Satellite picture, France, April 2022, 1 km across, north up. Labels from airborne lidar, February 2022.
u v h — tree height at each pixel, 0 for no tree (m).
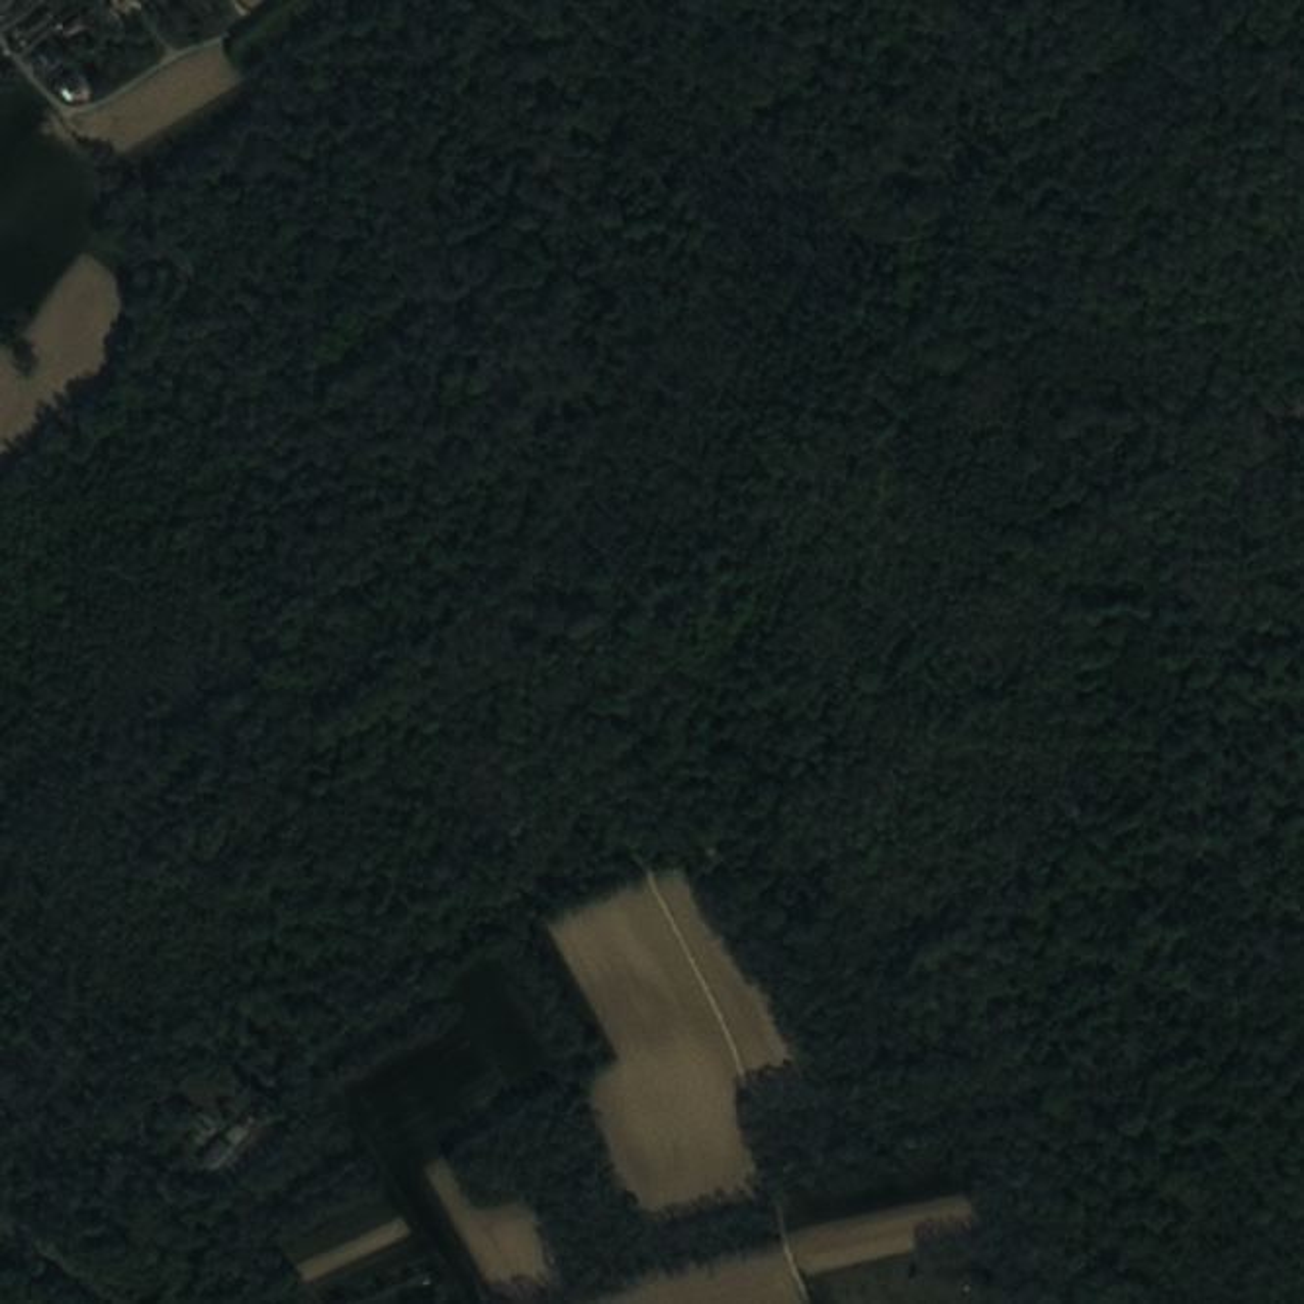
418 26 24
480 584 26
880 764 27
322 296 30
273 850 21
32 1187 26
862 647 22
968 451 18
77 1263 31
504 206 16
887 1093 24
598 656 24
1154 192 23
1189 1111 13
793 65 29
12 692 18
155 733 18
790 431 24
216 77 0
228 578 23
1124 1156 20
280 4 13
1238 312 26
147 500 19
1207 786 22
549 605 23
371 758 25
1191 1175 28
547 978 28
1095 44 29
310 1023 31
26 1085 23
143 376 28
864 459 18
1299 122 26
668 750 30
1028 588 21
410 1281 10
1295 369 25
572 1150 27
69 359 0
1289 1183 27
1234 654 16
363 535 33
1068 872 29
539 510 27
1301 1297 17
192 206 26
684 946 0
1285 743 30
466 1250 0
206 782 19
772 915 28
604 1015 0
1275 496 27
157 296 32
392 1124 0
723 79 26
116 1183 26
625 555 17
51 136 0
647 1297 0
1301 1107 26
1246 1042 18
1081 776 19
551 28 25
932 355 27
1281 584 28
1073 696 19
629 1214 26
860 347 17
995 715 22
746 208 25
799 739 30
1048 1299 25
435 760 25
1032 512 16
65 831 20
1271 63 24
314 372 24
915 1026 25
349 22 22
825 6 24
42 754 7
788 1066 0
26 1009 7
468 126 20
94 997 22
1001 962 22
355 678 15
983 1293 18
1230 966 24
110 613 15
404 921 27
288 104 21
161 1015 18
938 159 37
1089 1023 27
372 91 25
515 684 18
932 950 31
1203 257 26
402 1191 0
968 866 22
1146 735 24
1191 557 26
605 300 8
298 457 26
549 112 24
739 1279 0
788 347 17
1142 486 27
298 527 26
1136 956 21
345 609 28
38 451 21
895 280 29
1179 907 10
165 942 15
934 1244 25
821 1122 28
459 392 24
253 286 30
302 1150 30
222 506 14
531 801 24
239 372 25
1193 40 27
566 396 7
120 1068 24
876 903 22
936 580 18
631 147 24
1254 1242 18
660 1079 0
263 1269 26
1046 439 13
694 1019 0
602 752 26
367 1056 30
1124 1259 24
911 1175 23
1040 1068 27
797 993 25
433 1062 0
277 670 27
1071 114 23
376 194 26
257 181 25
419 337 20
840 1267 0
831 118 25
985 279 27
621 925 0
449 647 30
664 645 22
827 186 29
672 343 20
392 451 19
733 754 30
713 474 22
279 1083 8
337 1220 0
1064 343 25
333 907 24
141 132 0
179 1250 27
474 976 0
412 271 32
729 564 26
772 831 28
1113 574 22
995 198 25
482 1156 27
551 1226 21
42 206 0
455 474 22
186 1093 0
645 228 23
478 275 35
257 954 14
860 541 20
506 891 25
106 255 0
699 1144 0
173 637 10
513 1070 0
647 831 23
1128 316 26
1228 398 26
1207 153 24
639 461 20
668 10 23
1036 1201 28
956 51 33
